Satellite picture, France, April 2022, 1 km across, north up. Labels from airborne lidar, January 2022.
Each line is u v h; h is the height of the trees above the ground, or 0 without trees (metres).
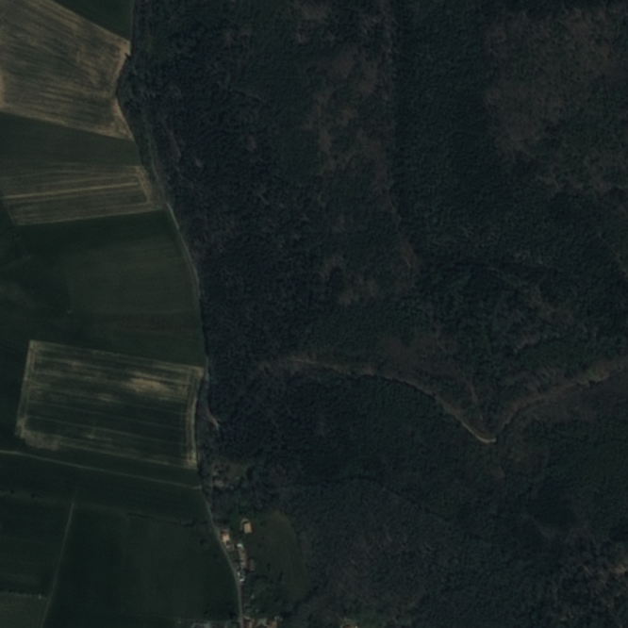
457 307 29
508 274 16
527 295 15
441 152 12
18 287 0
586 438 9
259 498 14
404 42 16
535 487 14
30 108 0
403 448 12
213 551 0
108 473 0
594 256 11
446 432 16
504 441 10
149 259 0
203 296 12
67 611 0
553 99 11
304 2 14
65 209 0
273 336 23
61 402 0
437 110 9
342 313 17
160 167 17
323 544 25
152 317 0
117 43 0
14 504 0
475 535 11
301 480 20
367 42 15
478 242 7
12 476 0
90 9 0
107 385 0
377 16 17
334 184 12
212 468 16
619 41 14
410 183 12
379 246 20
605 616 9
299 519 23
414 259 13
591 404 18
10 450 0
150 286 0
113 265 0
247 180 23
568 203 11
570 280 10
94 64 0
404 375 13
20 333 0
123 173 0
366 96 10
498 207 10
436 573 23
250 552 0
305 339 19
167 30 6
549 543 18
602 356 14
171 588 0
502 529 15
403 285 15
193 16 8
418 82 9
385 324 20
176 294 0
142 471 0
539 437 15
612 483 13
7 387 0
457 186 10
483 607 24
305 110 13
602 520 16
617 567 25
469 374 15
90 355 0
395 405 19
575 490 17
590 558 36
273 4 14
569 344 16
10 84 0
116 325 0
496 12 10
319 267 21
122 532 0
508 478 8
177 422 0
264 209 24
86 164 0
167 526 0
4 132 0
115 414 0
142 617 0
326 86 14
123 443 0
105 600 0
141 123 19
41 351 0
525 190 13
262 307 26
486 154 11
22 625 0
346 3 15
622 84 15
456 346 12
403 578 28
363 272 12
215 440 19
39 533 0
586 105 11
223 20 8
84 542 0
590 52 9
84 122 0
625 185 10
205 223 18
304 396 24
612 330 11
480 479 15
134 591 0
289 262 24
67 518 0
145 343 0
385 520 26
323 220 17
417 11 7
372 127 11
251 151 21
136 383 0
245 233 22
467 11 11
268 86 14
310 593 0
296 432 25
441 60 9
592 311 10
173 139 21
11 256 0
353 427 20
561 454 12
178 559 0
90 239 0
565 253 11
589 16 7
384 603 27
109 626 0
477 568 25
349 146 14
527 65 10
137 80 29
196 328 0
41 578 0
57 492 0
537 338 23
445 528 23
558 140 7
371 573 24
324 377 15
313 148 13
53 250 0
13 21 0
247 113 18
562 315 10
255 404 24
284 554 0
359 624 19
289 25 14
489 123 9
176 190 16
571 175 9
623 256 12
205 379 0
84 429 0
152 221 0
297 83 16
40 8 0
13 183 0
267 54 13
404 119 16
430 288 14
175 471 0
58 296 0
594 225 8
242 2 19
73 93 0
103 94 0
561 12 10
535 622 24
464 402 11
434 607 26
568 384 18
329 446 22
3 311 0
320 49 20
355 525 25
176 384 0
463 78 10
